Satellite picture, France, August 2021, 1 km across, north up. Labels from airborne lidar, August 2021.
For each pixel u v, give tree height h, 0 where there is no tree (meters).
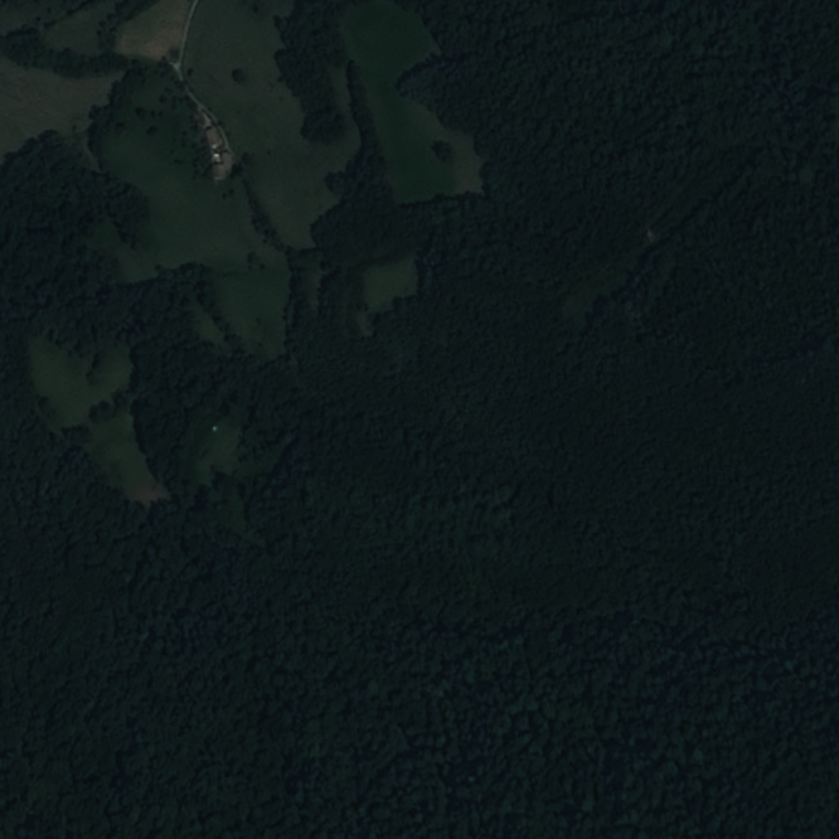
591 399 22
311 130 14
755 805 32
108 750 25
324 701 27
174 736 16
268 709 33
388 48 0
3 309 24
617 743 18
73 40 0
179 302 21
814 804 21
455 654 24
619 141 17
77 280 30
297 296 15
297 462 20
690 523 37
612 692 17
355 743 28
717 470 29
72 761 26
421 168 0
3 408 27
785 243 9
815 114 28
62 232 19
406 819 29
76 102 0
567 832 28
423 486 19
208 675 26
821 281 9
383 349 12
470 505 32
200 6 0
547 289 20
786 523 28
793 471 34
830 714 36
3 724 31
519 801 29
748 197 13
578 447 28
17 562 29
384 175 21
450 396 20
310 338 15
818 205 11
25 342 17
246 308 0
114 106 12
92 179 18
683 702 29
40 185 29
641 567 18
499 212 28
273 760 26
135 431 0
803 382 27
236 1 0
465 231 25
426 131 0
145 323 34
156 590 35
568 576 19
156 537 27
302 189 0
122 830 32
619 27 28
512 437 19
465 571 24
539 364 23
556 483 26
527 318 18
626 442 25
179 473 20
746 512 34
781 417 20
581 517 25
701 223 15
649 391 24
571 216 26
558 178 22
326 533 24
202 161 7
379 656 23
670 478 28
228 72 0
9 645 28
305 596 27
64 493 19
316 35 12
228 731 29
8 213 25
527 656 32
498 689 21
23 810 25
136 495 0
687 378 26
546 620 28
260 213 7
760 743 21
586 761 24
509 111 17
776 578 28
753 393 24
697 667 27
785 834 26
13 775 28
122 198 25
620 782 26
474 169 0
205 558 23
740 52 27
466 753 9
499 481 34
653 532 28
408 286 0
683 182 17
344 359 16
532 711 29
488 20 15
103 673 28
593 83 22
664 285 7
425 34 0
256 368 21
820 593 31
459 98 21
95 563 26
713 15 17
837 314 16
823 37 21
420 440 26
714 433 27
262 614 28
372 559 20
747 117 26
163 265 0
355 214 20
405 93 10
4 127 0
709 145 29
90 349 28
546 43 18
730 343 7
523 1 19
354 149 0
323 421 22
